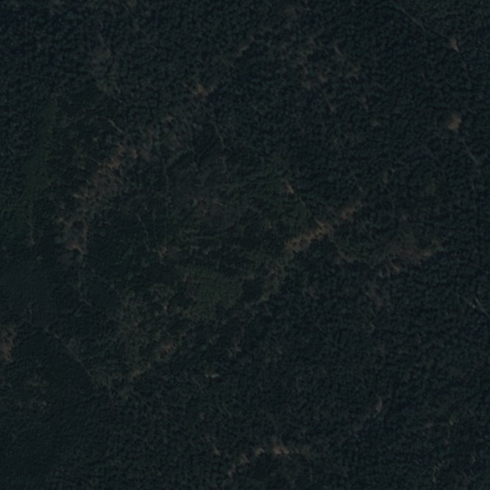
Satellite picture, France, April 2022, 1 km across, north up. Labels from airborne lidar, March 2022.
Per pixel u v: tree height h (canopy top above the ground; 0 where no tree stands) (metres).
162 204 8
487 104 22
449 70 34
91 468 17
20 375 8
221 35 10
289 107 23
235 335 9
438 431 7
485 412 31
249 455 25
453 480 19
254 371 29
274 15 29
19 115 25
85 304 10
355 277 31
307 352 14
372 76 10
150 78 30
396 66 33
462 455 14
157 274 8
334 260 12
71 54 28
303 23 23
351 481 22
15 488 14
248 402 32
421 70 33
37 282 16
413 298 26
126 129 19
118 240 6
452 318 28
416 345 28
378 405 23
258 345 12
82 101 12
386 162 30
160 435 18
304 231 12
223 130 34
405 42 14
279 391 19
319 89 18
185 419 24
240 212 16
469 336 27
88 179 18
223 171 14
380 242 26
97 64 32
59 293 13
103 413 15
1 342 9
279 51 18
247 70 20
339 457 30
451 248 29
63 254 18
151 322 8
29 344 11
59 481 19
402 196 8
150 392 11
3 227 10
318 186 23
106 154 33
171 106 36
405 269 16
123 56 25
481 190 27
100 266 13
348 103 31
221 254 10
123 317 7
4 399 13
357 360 26
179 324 14
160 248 6
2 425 19
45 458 15
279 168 7
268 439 25
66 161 14
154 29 35
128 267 7
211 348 9
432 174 14
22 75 26
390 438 24
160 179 13
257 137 28
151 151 30
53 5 14
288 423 30
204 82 20
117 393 19
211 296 17
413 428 25
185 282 8
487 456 30
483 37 23
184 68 30
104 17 25
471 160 23
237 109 28
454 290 32
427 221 15
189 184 13
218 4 26
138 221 9
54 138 13
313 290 25
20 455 18
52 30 34
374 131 31
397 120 30
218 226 16
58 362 13
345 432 26
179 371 11
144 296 12
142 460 23
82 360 12
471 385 11
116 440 17
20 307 16
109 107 7
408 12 19
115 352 10
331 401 25
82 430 14
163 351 13
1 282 16
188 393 24
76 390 8
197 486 30
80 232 19
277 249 11
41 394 6
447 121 26
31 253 10
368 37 29
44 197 12
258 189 14
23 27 32
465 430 7
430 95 30
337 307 12
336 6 27
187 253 9
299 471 18
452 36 31
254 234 9
